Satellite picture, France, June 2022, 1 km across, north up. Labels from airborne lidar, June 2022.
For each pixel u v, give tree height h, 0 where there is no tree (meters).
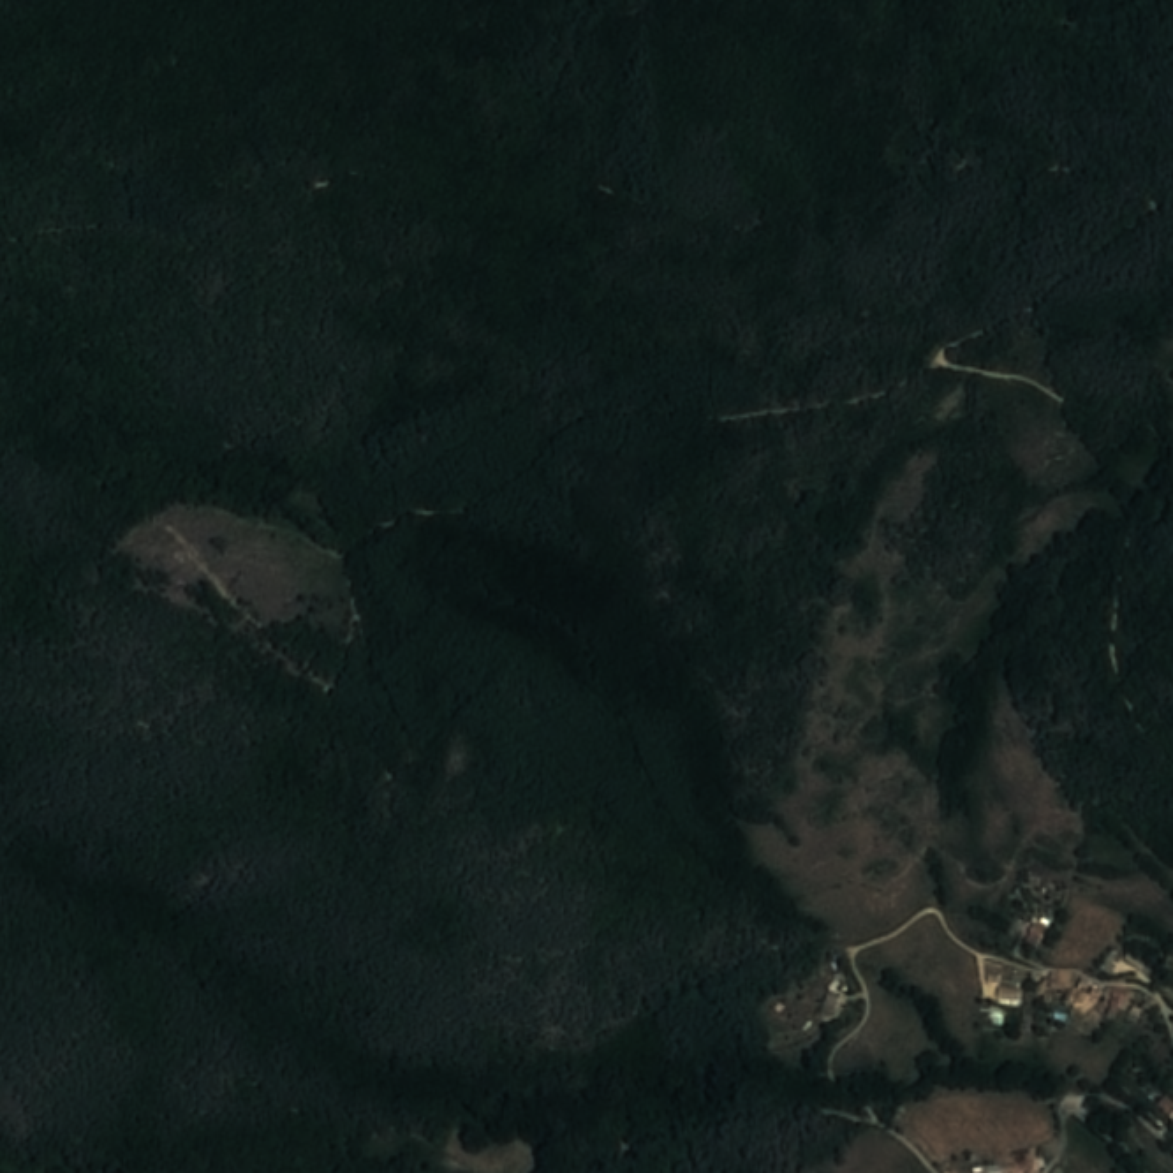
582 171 13
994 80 21
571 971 7
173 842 17
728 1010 30
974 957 0
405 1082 16
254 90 11
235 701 9
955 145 18
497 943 8
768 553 9
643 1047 10
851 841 0
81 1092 15
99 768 13
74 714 9
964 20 20
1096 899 0
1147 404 7
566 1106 24
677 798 19
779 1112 13
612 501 12
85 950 19
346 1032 18
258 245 11
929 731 0
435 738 12
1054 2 25
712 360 8
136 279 13
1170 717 7
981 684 19
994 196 19
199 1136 16
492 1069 17
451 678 16
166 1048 16
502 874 9
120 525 17
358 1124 19
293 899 18
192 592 15
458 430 25
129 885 20
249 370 13
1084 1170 0
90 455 22
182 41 8
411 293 13
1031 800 0
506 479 16
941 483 8
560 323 16
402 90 15
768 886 15
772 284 12
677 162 13
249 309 12
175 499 19
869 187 15
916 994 17
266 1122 19
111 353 15
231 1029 19
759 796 8
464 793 9
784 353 12
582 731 19
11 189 10
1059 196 14
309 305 10
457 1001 15
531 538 13
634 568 9
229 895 11
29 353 15
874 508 9
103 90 10
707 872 11
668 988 19
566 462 15
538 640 12
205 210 12
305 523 23
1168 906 0
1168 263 14
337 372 15
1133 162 17
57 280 13
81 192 12
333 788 7
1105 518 12
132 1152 23
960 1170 0
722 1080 33
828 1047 19
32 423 20
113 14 11
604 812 10
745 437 7
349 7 13
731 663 9
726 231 12
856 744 0
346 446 11
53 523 20
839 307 12
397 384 18
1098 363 17
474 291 18
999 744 0
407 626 17
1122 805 16
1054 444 0
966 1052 14
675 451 14
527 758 15
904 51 13
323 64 11
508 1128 16
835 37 15
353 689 15
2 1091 8
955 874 0
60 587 18
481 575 22
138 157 13
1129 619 12
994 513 10
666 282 18
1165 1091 8
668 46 15
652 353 15
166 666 7
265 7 13
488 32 9
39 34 9
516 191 15
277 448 16
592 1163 13
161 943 21
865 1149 0
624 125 18
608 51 10
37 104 10
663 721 16
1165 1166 0
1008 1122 0
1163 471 14
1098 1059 0
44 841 15
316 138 12
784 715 11
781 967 17
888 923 0
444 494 12
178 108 12
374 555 18
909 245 13
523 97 14
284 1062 21
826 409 10
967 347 13
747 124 10
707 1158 13
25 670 9
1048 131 12
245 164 13
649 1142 14
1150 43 24
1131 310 12
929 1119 0
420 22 12
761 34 14
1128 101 19
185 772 13
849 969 21
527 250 14
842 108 10
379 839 15
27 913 16
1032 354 0
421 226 13
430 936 14
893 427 12
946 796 6
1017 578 17
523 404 15
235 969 19
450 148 14
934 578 7
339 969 16
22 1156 19
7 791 20
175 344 14
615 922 12
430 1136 18
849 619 0
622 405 12
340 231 7
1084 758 10
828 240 14
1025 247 13
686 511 7
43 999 13
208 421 16
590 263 14
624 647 11
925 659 0
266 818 13
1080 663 11
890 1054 0
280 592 0
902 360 9
